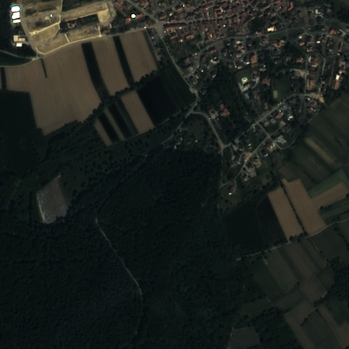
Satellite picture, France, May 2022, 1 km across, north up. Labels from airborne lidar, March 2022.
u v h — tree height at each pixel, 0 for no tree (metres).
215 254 24
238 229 0
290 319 0
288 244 0
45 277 29
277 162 0
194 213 22
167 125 0
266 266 0
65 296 26
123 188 21
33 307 24
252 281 0
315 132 0
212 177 19
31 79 0
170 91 0
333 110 0
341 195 0
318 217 0
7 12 12
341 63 0
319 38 0
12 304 26
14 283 28
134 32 0
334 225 0
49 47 0
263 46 0
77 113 0
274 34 0
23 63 0
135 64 0
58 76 0
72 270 30
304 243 0
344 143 0
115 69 0
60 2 0
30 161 0
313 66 0
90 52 0
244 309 0
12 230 28
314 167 0
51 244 30
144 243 23
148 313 27
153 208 23
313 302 0
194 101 0
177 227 25
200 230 21
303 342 0
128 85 0
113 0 0
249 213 0
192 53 0
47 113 0
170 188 23
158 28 0
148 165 18
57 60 0
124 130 0
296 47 7
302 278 0
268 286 0
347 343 0
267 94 6
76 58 0
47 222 0
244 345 0
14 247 28
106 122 0
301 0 0
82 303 24
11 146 0
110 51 0
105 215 16
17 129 0
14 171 0
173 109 0
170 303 19
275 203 0
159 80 0
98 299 23
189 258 23
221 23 0
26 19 0
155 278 23
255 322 18
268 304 0
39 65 0
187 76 0
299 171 0
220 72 9
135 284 22
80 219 26
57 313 26
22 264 27
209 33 0
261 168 0
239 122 9
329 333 0
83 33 0
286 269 0
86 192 13
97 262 26
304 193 0
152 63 0
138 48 0
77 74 0
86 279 27
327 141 0
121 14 0
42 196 0
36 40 0
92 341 28
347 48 0
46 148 0
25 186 0
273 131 0
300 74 0
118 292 29
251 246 0
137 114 0
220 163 19
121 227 13
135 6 0
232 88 8
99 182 18
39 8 0
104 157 0
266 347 7
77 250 30
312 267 0
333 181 0
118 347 18
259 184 0
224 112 0
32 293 28
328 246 0
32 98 0
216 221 20
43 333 18
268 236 0
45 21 0
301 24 0
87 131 0
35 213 0
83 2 0
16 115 0
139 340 24
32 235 27
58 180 0
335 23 0
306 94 0
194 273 28
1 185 29
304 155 0
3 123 0
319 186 0
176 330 21
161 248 28
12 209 23
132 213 20
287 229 0
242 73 0
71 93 0
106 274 28
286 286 0
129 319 26
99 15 0
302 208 0
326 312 0
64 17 0
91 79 0
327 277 0
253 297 0
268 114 0
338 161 0
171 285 21
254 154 0
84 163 0
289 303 0
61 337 19
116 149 0
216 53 0
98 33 0
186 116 0
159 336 28
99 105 0
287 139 0
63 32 9
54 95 0
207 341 22
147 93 0
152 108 0
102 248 23
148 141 0
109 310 20
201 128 0
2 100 0
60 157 0
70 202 0
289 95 0
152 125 0
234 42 0
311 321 0
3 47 14
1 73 0
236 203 0
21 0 0
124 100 0
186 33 0
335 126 0
